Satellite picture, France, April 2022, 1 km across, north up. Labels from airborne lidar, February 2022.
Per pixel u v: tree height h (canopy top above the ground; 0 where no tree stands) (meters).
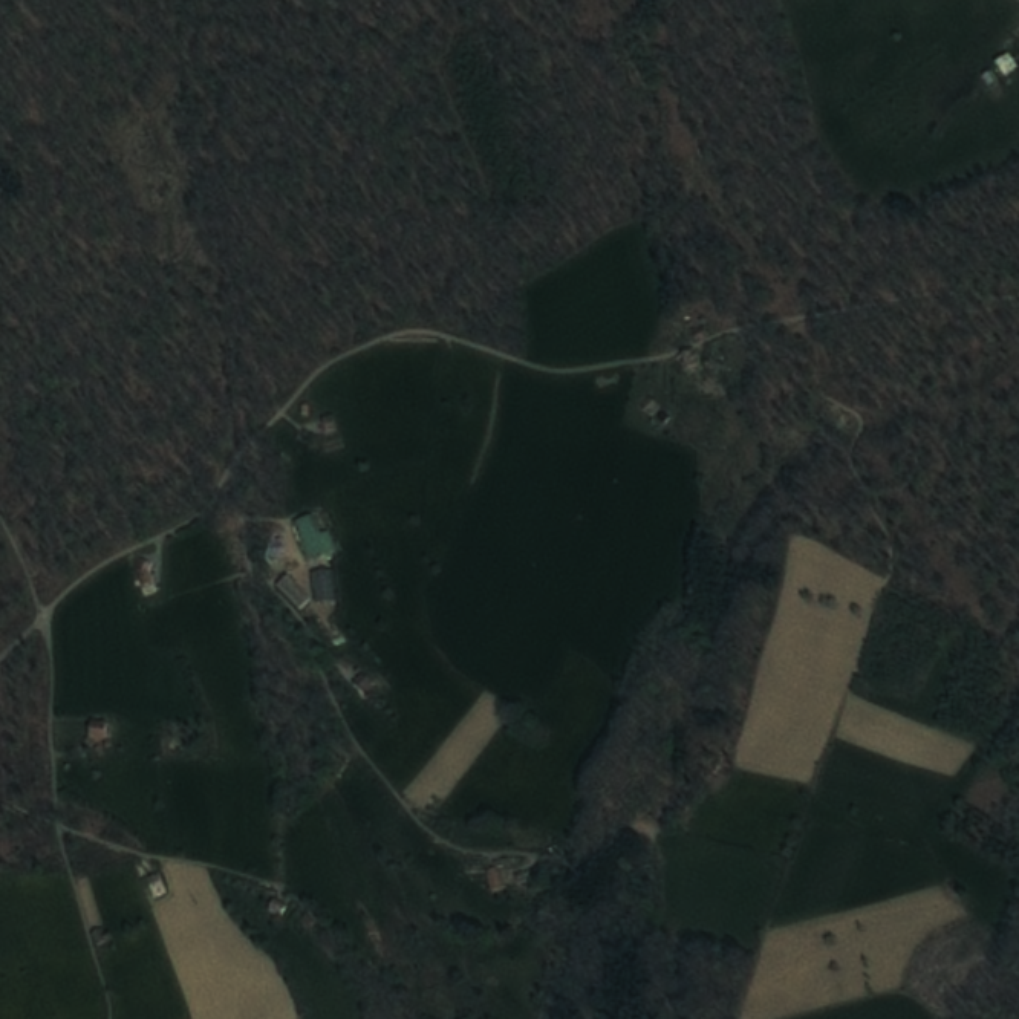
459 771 0
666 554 0
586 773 17
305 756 28
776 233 27
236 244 27
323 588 0
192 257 0
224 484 0
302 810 23
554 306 0
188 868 0
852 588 0
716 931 0
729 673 28
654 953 29
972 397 19
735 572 12
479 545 0
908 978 0
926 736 0
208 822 0
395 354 0
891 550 27
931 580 27
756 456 0
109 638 0
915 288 26
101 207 23
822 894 0
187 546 0
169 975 0
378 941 0
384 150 27
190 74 22
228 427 27
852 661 0
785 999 0
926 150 0
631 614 0
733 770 13
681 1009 29
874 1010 0
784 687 0
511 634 0
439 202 24
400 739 0
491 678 0
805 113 29
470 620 0
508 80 23
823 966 0
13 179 26
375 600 0
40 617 0
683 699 15
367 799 0
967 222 13
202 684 0
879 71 0
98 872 0
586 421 0
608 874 35
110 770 0
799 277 22
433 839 0
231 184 26
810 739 0
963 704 10
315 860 0
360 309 25
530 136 7
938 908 0
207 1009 0
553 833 0
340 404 0
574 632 0
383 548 0
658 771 37
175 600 0
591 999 27
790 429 27
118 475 23
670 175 23
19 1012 0
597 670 0
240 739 0
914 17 0
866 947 0
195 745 18
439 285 28
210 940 0
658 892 28
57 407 22
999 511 25
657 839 0
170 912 0
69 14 28
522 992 0
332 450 0
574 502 0
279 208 27
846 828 0
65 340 26
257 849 0
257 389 28
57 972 0
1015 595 25
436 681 0
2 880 0
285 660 28
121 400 28
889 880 0
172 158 0
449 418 0
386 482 0
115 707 0
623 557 0
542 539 0
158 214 0
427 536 0
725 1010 30
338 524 0
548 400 0
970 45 0
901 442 24
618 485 0
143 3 24
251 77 26
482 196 25
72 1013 0
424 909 0
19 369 26
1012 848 9
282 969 14
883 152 0
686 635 24
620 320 0
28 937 0
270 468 28
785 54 32
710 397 0
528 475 0
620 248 0
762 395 26
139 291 28
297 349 23
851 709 0
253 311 19
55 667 0
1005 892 0
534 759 0
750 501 0
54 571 26
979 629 6
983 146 0
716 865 0
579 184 29
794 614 0
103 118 22
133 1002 0
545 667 0
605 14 0
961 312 26
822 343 21
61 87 24
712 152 20
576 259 23
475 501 0
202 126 25
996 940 0
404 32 25
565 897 40
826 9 0
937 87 0
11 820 30
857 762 0
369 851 0
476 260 27
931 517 0
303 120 28
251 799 0
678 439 0
